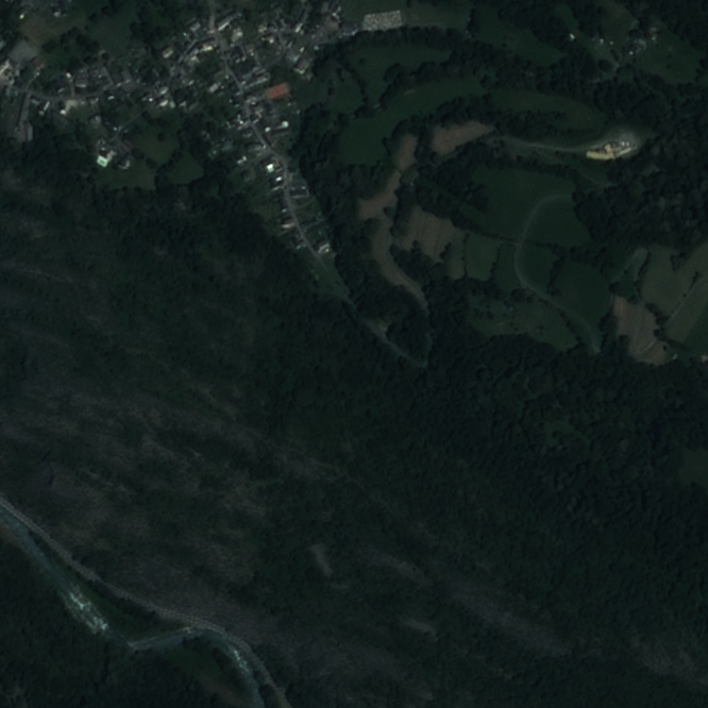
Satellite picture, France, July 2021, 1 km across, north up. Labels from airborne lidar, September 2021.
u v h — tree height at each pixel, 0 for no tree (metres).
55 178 20
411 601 6
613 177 15
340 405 10
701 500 18
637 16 20
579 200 19
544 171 17
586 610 12
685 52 0
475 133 0
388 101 10
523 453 19
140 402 0
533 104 0
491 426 18
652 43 0
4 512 0
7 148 17
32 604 16
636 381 22
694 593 20
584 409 15
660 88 20
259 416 5
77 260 6
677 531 36
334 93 10
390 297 21
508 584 6
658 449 27
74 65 6
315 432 9
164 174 15
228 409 0
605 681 9
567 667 9
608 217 21
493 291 17
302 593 9
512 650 9
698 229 21
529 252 0
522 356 22
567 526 15
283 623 8
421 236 0
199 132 11
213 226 7
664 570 17
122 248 6
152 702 22
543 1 18
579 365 17
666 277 0
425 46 10
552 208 0
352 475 8
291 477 9
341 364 11
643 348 0
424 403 14
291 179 0
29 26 0
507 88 9
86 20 0
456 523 7
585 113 0
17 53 0
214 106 6
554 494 22
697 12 12
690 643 6
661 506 24
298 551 11
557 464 27
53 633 21
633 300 7
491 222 0
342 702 7
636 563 12
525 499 9
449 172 20
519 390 16
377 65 0
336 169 16
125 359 7
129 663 15
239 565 7
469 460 10
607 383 25
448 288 24
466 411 24
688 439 21
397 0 0
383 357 20
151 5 11
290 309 16
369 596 9
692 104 19
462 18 0
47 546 14
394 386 16
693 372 15
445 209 19
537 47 0
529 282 0
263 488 8
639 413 20
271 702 26
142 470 12
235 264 6
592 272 0
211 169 20
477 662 6
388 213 15
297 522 7
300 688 11
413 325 26
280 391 9
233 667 16
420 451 10
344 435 6
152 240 11
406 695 10
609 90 21
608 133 0
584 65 22
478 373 13
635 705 7
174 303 8
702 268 0
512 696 6
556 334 0
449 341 26
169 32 6
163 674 16
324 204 7
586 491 23
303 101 0
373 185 16
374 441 8
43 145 21
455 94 0
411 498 8
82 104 0
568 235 0
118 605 16
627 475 22
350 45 14
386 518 7
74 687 18
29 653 23
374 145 0
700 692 5
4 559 7
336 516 11
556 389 17
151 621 22
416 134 12
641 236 22
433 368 14
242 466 6
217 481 6
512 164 21
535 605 7
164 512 6
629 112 21
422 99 0
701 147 20
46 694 15
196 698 19
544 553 6
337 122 7
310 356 8
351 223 20
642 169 13
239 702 0
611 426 20
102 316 0
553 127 10
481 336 12
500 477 9
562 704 9
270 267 11
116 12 15
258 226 23
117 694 14
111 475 7
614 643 7
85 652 20
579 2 22
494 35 0
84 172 16
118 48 0
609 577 8
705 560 11
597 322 0
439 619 8
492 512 7
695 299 0
